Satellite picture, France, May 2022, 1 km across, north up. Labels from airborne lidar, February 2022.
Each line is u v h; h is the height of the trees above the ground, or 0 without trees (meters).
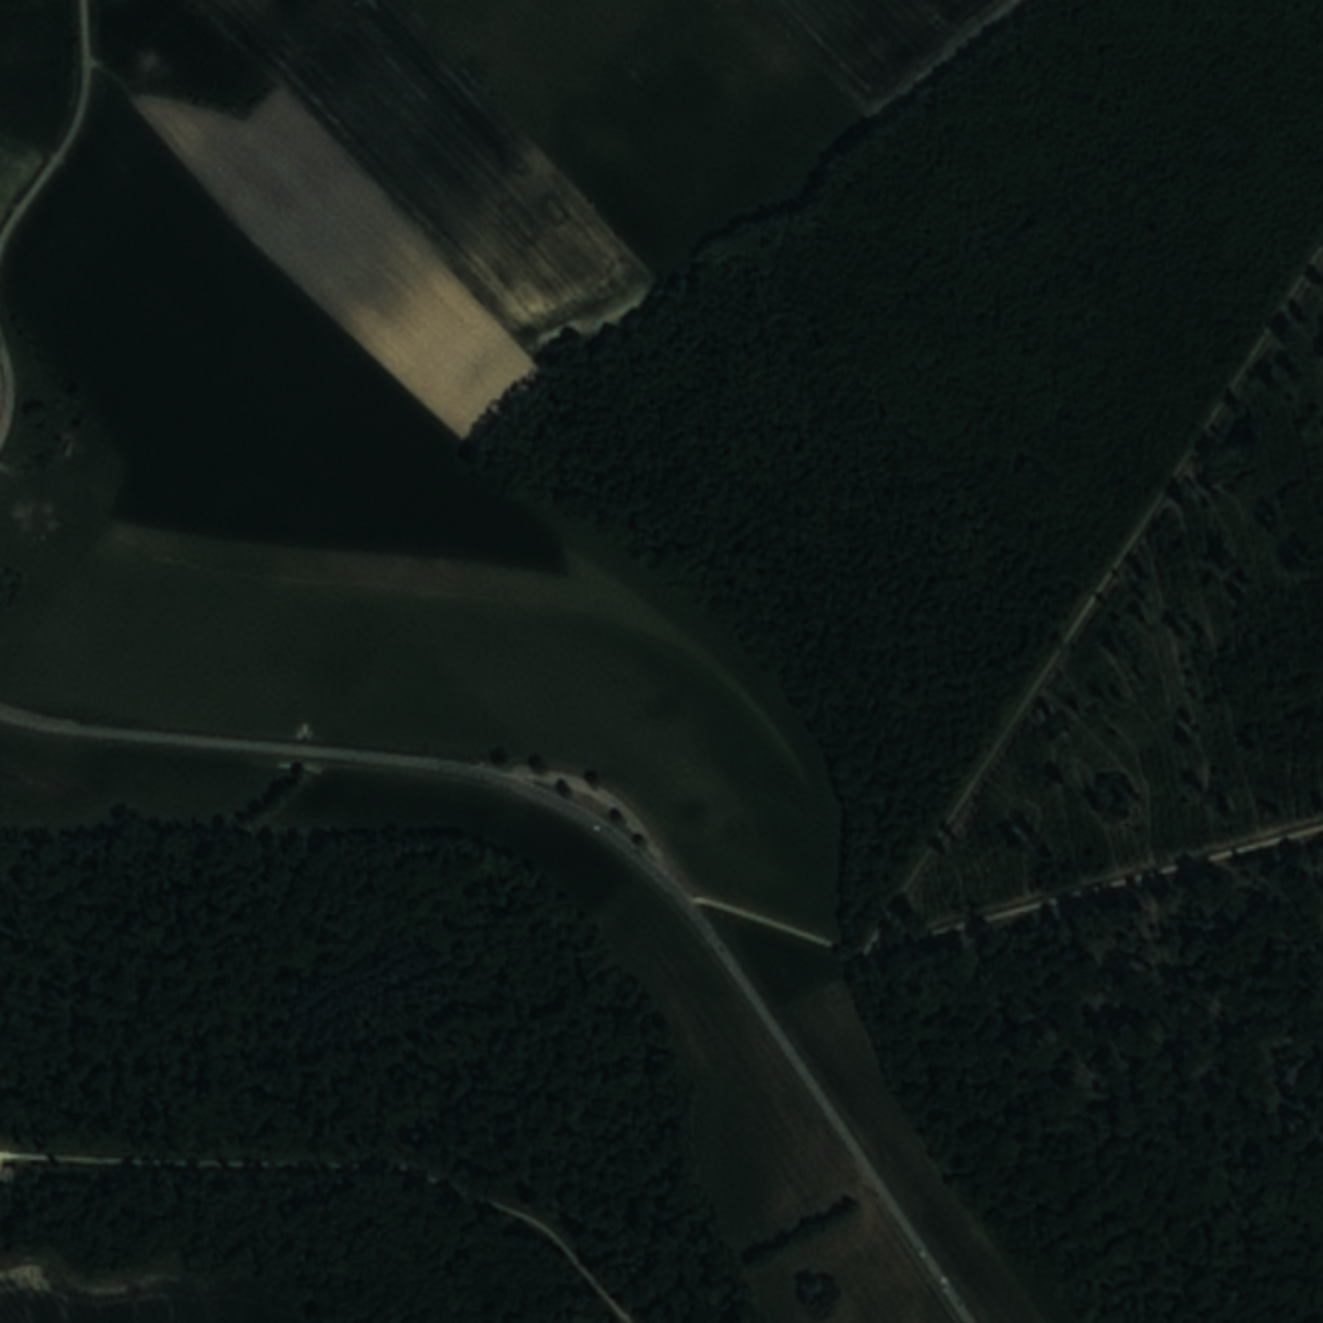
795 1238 10
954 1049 25
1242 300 15
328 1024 19
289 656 0
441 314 0
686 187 0
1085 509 15
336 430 0
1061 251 13
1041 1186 25
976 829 6
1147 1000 30
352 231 0
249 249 0
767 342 16
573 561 0
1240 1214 26
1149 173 14
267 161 0
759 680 0
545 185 0
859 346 11
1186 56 12
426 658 0
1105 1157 28
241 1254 25
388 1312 23
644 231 0
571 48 0
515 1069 26
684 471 20
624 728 0
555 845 0
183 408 0
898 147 14
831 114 0
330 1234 23
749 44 0
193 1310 0
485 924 19
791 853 0
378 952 8
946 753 17
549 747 0
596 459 21
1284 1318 26
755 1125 0
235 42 0
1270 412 6
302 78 0
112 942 23
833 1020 0
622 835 0
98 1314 0
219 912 22
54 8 0
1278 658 6
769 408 18
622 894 0
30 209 0
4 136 0
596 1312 23
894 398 13
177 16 0
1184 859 0
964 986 31
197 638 0
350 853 20
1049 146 12
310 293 0
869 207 12
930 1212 0
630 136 0
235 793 0
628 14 0
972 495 17
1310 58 12
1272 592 7
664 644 0
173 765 0
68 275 0
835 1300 13
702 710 0
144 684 0
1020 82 11
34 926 23
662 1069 24
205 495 0
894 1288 0
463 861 23
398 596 0
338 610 0
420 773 0
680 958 0
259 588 0
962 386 11
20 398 0
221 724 0
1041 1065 26
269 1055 7
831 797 0
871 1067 0
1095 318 14
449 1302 26
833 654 22
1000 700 21
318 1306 24
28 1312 0
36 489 0
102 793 0
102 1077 26
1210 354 14
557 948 22
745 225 13
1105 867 9
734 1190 0
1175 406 18
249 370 0
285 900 22
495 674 0
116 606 0
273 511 0
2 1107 25
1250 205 14
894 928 26
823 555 19
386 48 0
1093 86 12
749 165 0
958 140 13
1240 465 7
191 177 0
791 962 0
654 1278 29
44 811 0
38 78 0
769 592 20
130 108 0
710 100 0
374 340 0
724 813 0
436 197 0
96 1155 0
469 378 0
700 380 20
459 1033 23
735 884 0
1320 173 11
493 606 0
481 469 15
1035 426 12
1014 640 16
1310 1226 23
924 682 22
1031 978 30
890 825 20
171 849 27
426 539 0
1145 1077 32
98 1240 25
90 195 0
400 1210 22
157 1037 23
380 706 0
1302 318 25
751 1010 0
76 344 0
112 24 0
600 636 0
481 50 0
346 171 0
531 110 0
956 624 22
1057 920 27
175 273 0
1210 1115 24
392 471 0
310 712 0
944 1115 26
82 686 0
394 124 0
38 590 0
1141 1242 24
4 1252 12
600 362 18
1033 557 14
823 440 17
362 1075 25
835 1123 0
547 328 0
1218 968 15
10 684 0
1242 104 12
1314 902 28
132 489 0
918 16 0
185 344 0
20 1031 28
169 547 0
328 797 0
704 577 21
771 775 0
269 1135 25
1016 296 13
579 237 0
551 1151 25
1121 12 14
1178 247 15
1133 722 0
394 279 0
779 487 16
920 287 12
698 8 0
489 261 0
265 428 0
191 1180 22
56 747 0
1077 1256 23
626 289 0
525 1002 13
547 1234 0
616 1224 26
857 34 0
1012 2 0
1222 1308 24
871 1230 0
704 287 16
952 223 12
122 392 0
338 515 0
